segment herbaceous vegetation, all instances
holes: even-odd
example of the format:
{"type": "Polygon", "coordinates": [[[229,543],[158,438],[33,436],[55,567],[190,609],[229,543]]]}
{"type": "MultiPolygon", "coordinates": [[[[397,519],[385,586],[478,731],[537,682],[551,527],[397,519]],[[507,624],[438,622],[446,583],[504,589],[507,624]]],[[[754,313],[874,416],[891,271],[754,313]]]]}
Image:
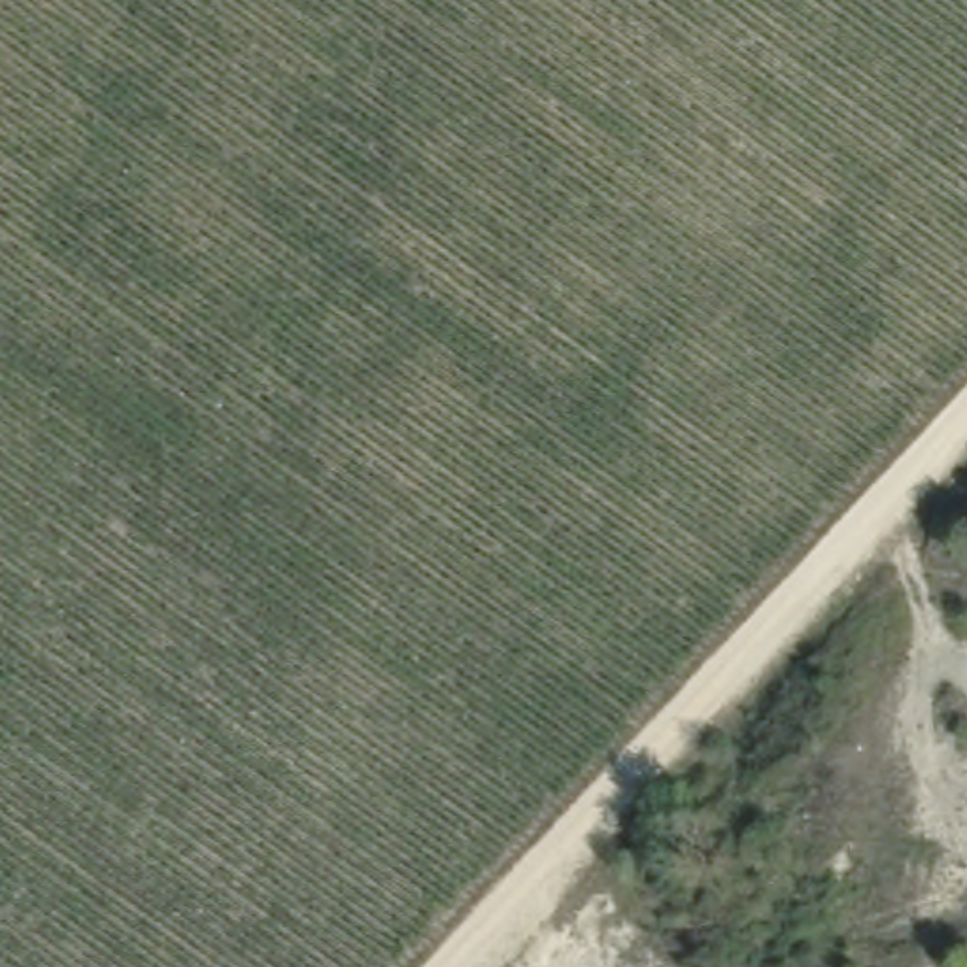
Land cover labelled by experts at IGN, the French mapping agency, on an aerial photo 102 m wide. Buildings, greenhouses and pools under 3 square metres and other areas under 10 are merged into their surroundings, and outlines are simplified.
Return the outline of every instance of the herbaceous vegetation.
{"type": "Polygon", "coordinates": [[[925,918],[918,910],[918,895],[933,888],[941,842],[914,835],[914,767],[907,752],[891,744],[899,714],[895,687],[884,703],[857,706],[854,744],[839,748],[835,759],[839,808],[831,820],[831,842],[839,846],[839,854],[831,857],[835,880],[827,899],[842,903],[839,937],[846,941],[903,937],[907,929],[914,929],[922,952],[929,956],[922,967],[967,967],[967,891],[959,895],[959,907],[948,918],[925,918]]]}
{"type": "Polygon", "coordinates": [[[941,608],[948,635],[967,642],[967,457],[941,484],[925,484],[914,499],[918,559],[933,604],[941,608]]]}
{"type": "Polygon", "coordinates": [[[597,925],[635,925],[631,944],[619,952],[619,963],[627,967],[676,967],[661,959],[638,933],[653,918],[657,895],[635,876],[635,857],[623,854],[619,865],[604,865],[593,854],[578,869],[574,884],[559,895],[551,910],[551,929],[563,929],[593,895],[608,891],[616,899],[616,910],[601,914],[597,925]]]}
{"type": "Polygon", "coordinates": [[[952,748],[967,755],[967,695],[948,680],[933,687],[933,718],[952,737],[952,748]]]}

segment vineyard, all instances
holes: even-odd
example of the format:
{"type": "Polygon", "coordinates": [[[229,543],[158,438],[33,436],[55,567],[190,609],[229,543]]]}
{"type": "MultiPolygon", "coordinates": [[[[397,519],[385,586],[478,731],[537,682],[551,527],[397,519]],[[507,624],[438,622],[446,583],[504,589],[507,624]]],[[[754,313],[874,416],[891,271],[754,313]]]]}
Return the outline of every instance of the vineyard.
{"type": "Polygon", "coordinates": [[[699,672],[699,665],[789,578],[789,570],[831,533],[831,525],[895,465],[895,457],[967,385],[967,0],[0,0],[0,967],[423,967],[438,952],[438,944],[472,914],[472,907],[555,827],[555,820],[578,801],[578,793],[597,774],[612,778],[623,771],[631,755],[627,740],[657,718],[657,710],[699,672]]]}

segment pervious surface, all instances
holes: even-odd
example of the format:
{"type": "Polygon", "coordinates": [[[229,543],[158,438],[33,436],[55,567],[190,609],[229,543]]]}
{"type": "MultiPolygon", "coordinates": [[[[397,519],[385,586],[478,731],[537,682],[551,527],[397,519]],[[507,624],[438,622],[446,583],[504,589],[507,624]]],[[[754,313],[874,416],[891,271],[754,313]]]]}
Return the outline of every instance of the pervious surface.
{"type": "Polygon", "coordinates": [[[631,755],[650,755],[661,767],[684,759],[684,748],[695,737],[695,729],[714,721],[725,706],[740,703],[767,676],[767,669],[782,661],[789,646],[823,616],[827,601],[861,574],[869,559],[895,567],[914,623],[910,653],[895,687],[899,714],[891,744],[907,752],[914,767],[914,835],[941,842],[933,888],[918,895],[918,910],[925,918],[948,918],[959,907],[959,895],[967,891],[967,755],[952,748],[952,737],[933,718],[933,687],[948,680],[967,695],[967,642],[948,635],[941,608],[933,604],[918,559],[914,499],[925,484],[941,484],[967,457],[967,385],[895,457],[895,465],[831,525],[831,533],[789,570],[789,578],[699,665],[699,672],[657,710],[657,718],[627,740],[631,755]]]}
{"type": "Polygon", "coordinates": [[[578,869],[593,854],[589,835],[601,827],[608,801],[616,797],[612,778],[597,774],[578,793],[578,801],[555,820],[555,827],[472,907],[472,914],[438,944],[438,952],[423,967],[627,967],[619,963],[619,952],[631,944],[635,925],[597,925],[601,914],[616,910],[616,899],[608,891],[593,895],[563,929],[551,929],[551,910],[559,895],[574,884],[578,869]]]}

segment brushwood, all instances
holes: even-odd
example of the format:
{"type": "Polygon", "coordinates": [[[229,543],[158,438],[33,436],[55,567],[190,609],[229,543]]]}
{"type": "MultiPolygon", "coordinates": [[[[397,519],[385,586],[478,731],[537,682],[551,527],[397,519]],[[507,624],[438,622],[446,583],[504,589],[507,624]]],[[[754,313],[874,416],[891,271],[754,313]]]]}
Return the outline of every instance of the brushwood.
{"type": "Polygon", "coordinates": [[[604,865],[619,865],[623,854],[635,857],[635,876],[657,895],[653,918],[638,933],[661,959],[676,967],[922,967],[929,956],[922,952],[914,929],[907,929],[903,937],[846,941],[839,937],[842,903],[827,899],[835,880],[831,857],[839,854],[839,846],[831,842],[831,820],[839,808],[835,759],[839,748],[854,744],[857,706],[884,703],[895,687],[910,653],[914,623],[895,567],[869,559],[861,574],[827,601],[823,616],[789,646],[782,661],[767,669],[767,676],[740,703],[725,706],[714,721],[695,729],[695,737],[684,748],[684,759],[661,767],[650,755],[631,755],[623,771],[612,778],[616,797],[608,801],[601,827],[589,835],[593,854],[604,865]]]}

